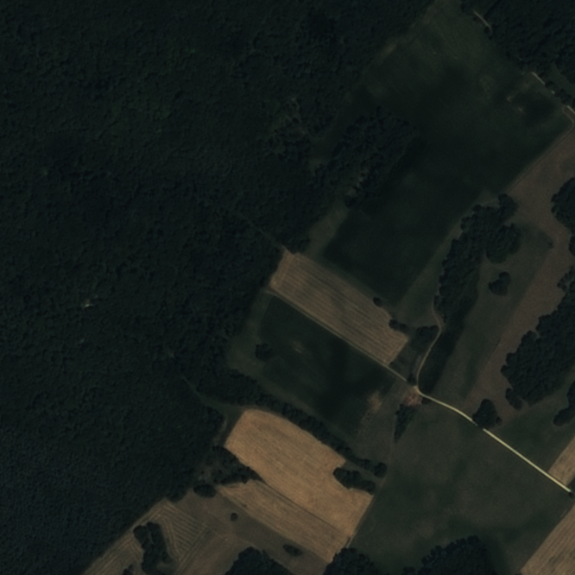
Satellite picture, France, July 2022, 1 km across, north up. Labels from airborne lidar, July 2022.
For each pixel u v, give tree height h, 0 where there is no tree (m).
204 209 29
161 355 24
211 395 25
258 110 24
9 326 20
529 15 26
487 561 24
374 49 21
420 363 0
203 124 19
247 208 22
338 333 0
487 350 0
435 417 0
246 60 8
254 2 24
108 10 24
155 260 22
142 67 17
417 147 8
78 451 15
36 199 24
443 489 0
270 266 19
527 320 0
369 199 18
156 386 22
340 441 8
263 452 0
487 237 18
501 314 0
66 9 23
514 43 26
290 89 21
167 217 23
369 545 0
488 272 0
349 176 27
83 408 20
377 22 20
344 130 0
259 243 20
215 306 10
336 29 26
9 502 16
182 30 24
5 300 17
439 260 0
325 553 0
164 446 22
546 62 8
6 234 18
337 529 0
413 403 0
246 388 23
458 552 25
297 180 25
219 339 27
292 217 22
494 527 0
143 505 10
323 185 18
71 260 21
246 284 7
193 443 25
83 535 17
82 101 24
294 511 0
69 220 25
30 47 9
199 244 22
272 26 22
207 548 0
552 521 0
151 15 27
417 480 0
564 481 0
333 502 0
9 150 20
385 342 0
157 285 23
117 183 23
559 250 0
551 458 0
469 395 0
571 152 0
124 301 25
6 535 11
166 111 17
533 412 0
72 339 20
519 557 0
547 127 0
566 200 16
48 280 22
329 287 0
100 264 12
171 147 18
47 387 19
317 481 0
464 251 22
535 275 0
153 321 24
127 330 21
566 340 19
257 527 0
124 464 17
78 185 23
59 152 29
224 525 0
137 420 15
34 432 16
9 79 23
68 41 21
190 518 0
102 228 25
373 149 18
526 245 0
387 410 0
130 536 0
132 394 20
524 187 0
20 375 22
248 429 0
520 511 0
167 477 21
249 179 14
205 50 25
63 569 18
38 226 21
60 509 15
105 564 0
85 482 14
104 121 16
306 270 0
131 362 20
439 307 11
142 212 26
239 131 22
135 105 15
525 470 0
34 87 26
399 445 0
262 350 10
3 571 14
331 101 24
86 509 17
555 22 25
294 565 0
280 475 0
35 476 12
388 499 0
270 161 25
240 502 0
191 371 25
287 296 0
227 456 18
